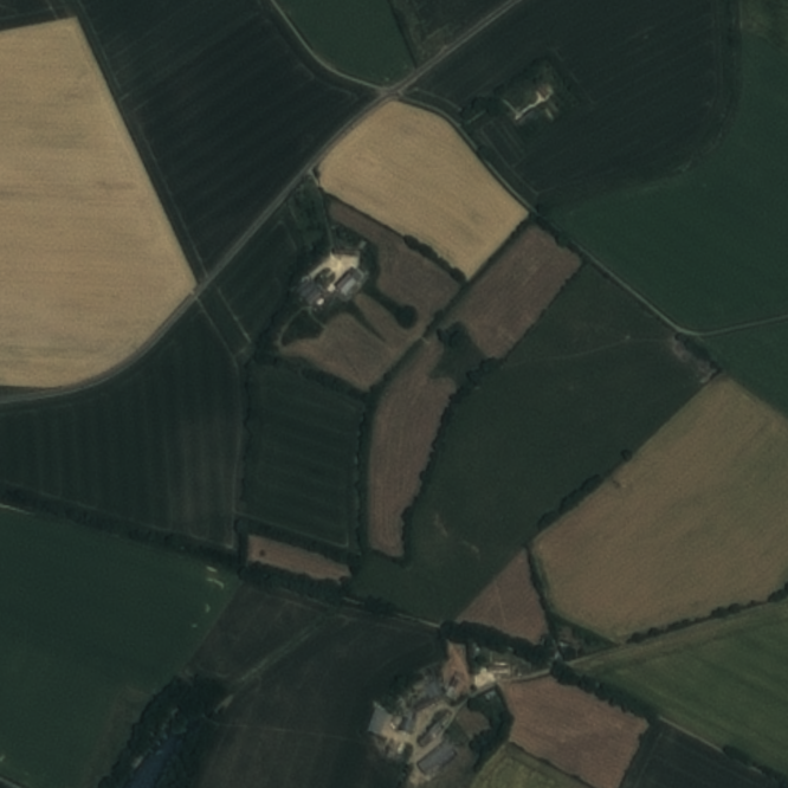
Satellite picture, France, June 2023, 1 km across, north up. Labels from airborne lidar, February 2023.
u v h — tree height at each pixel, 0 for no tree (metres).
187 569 0
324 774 0
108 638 0
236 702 0
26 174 0
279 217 0
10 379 0
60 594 0
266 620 0
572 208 0
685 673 0
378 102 0
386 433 0
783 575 0
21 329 0
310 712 0
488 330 0
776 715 0
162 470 0
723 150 0
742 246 0
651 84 0
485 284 0
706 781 0
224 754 0
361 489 10
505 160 0
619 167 0
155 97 0
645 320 0
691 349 14
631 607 0
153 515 0
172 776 18
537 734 0
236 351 0
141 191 0
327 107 0
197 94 0
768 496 0
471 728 0
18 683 0
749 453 0
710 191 0
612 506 0
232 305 0
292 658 0
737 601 0
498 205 0
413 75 0
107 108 0
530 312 0
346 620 0
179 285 0
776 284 0
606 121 0
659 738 0
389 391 0
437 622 0
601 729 0
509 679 0
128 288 0
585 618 0
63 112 0
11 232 0
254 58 0
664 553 0
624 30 0
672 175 0
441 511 0
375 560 0
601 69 0
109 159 0
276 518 0
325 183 0
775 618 0
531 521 0
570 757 0
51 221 0
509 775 0
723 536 0
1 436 0
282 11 0
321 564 0
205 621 0
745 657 0
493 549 0
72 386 0
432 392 0
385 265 0
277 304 0
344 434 0
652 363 0
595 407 0
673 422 0
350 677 0
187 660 0
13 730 0
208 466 0
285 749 0
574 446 0
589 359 0
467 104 0
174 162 0
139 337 0
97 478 0
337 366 0
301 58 0
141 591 0
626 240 0
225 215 0
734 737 0
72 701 0
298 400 0
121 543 0
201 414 0
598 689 16
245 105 0
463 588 0
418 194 0
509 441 0
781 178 0
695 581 0
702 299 0
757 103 0
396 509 0
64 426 0
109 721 0
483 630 16
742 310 0
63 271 0
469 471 0
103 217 0
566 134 0
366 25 0
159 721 24
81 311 0
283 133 0
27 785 0
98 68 0
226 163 0
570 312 0
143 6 0
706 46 0
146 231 0
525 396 0
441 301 0
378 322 0
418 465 0
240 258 0
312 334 0
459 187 0
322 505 0
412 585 0
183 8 0
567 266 0
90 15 0
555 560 0
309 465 0
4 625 0
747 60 0
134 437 0
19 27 0
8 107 0
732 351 0
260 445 0
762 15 0
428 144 0
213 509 0
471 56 0
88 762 0
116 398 0
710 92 0
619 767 0
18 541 0
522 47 0
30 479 0
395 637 0
